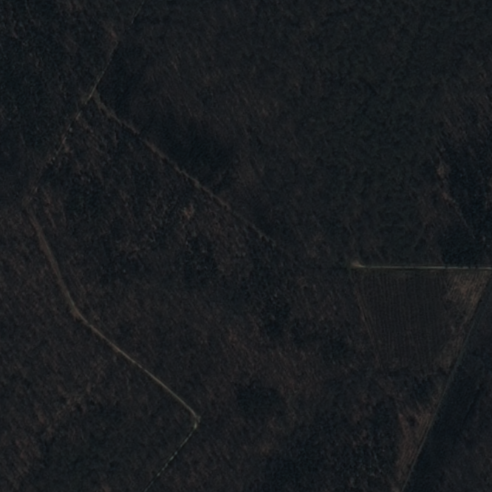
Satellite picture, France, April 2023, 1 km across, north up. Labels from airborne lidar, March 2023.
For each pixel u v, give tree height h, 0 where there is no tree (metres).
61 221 21
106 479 25
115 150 22
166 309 23
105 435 12
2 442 29
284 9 22
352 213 26
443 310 0
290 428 21
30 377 26
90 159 20
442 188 19
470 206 10
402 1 26
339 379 22
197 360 21
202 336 23
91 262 21
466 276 0
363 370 6
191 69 24
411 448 0
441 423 11
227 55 20
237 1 19
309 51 25
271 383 20
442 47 16
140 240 16
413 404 13
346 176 24
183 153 14
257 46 22
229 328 24
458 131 25
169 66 23
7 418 25
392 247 25
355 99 21
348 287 22
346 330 24
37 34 25
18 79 20
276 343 18
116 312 24
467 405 11
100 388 23
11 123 17
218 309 24
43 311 24
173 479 25
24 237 26
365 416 22
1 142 11
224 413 19
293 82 26
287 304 20
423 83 25
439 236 18
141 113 15
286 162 23
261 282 20
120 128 15
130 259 20
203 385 25
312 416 14
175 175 19
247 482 26
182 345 21
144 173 17
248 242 19
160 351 19
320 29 24
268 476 22
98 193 17
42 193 21
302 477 17
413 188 20
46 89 16
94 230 18
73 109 19
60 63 19
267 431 24
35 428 24
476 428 14
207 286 19
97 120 17
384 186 18
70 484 30
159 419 20
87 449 16
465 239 15
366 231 29
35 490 25
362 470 20
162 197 17
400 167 27
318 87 31
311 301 21
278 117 26
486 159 16
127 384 23
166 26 24
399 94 27
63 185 16
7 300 24
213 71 25
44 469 24
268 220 10
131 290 22
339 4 25
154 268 22
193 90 23
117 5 20
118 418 25
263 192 13
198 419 0
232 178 10
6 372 25
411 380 23
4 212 24
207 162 12
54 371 26
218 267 15
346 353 18
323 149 22
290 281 21
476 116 26
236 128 21
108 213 18
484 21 19
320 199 23
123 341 16
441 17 22
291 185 20
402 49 22
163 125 14
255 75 25
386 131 25
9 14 24
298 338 22
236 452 27
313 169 20
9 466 25
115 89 11
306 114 20
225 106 24
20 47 19
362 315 24
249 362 20
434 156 25
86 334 22
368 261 24
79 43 20
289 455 20
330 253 26
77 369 27
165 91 17
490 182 18
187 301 19
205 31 30
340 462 21
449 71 20
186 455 20
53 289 24
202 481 25
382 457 20
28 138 15
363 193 21
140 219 16
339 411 21
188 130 15
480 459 27
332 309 23
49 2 20
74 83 18
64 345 28
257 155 23
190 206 18
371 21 24
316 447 18
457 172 18
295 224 21
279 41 23
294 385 20
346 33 24
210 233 22
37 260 25
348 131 21
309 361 22
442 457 12
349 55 24
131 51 13
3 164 18
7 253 24
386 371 5
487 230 15
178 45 28
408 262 22
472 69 26
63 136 16
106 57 17
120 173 20
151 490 23
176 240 20
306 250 22
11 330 23
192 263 18
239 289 16
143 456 24
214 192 9
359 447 21
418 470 12
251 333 24
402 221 27
